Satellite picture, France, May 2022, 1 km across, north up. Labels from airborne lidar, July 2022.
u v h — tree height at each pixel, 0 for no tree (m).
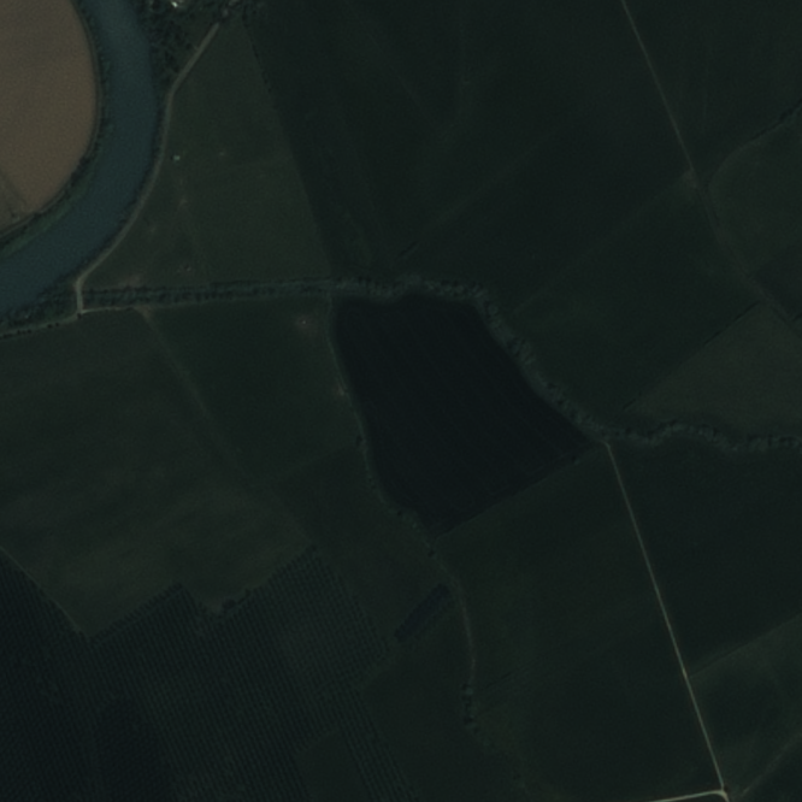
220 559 0
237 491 0
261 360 0
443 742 0
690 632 0
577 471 0
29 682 19
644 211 0
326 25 0
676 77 0
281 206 0
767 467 0
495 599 0
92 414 0
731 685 0
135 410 0
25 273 0
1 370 0
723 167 0
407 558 0
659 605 0
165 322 0
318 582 18
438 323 0
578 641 0
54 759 20
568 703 0
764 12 0
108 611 0
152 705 19
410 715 0
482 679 0
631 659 0
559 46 0
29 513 0
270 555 0
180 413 0
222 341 0
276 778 14
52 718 20
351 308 0
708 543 0
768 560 0
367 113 0
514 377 0
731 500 0
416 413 0
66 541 0
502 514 0
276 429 0
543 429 0
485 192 0
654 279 0
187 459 0
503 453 0
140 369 0
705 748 0
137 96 0
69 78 0
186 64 0
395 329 0
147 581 0
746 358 0
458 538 0
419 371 0
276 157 0
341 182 0
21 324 12
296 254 0
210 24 6
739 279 0
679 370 0
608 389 0
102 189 0
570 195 0
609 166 0
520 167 0
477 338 0
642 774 0
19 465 0
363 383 0
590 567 0
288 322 0
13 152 0
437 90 0
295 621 20
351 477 0
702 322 0
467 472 0
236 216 0
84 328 0
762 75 0
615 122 0
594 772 0
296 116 0
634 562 0
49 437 0
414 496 0
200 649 18
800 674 0
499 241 0
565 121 0
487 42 0
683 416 0
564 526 0
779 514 0
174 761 16
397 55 0
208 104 0
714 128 0
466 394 0
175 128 0
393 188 0
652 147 0
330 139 0
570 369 0
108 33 0
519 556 0
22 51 0
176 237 0
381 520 0
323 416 0
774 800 0
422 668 0
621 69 0
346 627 17
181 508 0
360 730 17
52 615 18
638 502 0
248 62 0
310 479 0
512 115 0
